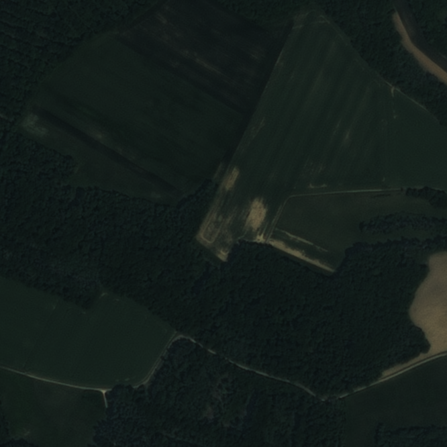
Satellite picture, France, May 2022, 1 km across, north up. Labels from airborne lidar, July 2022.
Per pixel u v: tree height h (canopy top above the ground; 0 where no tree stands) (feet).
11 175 84
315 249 0
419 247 48
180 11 0
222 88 0
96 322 0
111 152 0
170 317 73
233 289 86
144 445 84
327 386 68
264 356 79
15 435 0
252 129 0
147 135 0
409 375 0
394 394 0
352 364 41
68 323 0
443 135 0
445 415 0
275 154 0
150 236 96
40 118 0
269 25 0
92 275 65
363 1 59
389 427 0
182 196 0
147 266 120
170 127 0
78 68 0
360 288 92
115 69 0
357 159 0
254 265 80
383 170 0
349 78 0
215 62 0
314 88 0
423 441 76
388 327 82
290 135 0
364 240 0
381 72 54
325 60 0
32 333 0
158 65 0
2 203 46
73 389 0
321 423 65
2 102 79
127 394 78
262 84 0
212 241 0
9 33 58
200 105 0
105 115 0
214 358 63
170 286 108
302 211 0
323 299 99
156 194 0
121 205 58
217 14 0
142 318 0
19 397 0
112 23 82
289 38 0
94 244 70
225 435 93
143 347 0
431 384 0
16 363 0
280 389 23
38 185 80
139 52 0
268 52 0
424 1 62
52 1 66
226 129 0
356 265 80
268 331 109
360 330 93
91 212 72
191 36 0
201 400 86
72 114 0
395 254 80
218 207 0
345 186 0
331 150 0
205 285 65
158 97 0
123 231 111
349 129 0
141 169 0
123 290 70
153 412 76
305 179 0
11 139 81
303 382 62
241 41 0
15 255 88
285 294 102
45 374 0
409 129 0
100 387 0
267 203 0
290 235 0
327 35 0
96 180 0
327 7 83
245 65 0
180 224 68
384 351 68
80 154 0
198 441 95
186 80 0
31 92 75
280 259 88
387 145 0
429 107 59
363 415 0
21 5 52
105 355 0
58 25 79
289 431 79
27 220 92
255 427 104
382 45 83
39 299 0
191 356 75
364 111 0
